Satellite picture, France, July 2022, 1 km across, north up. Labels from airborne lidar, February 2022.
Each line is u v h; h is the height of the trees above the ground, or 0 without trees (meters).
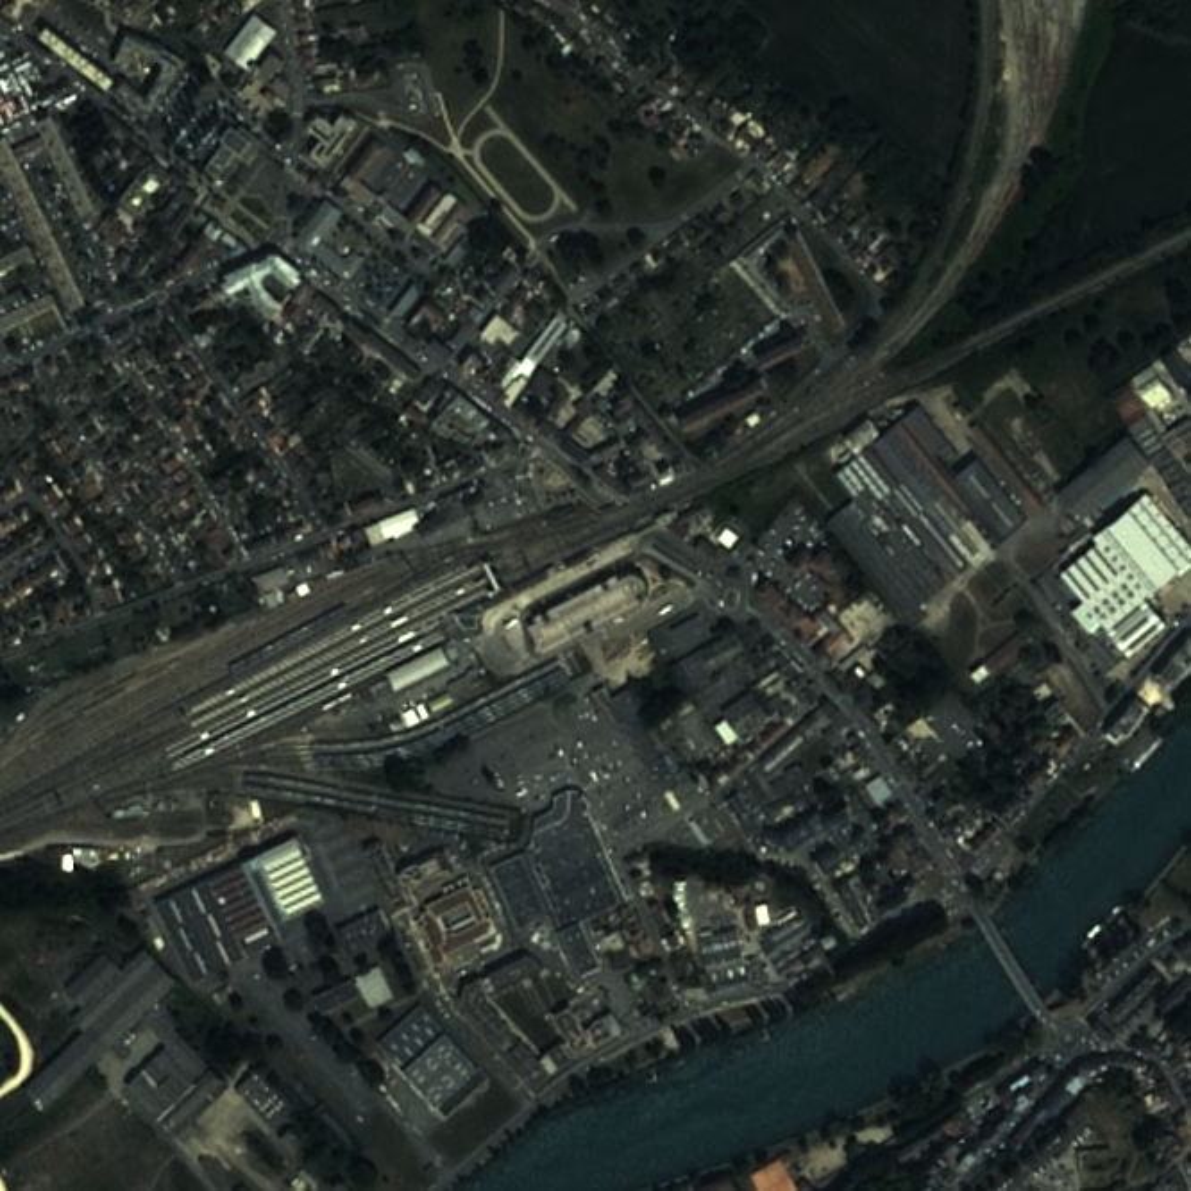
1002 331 0
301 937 0
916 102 0
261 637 0
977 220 0
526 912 0
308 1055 0
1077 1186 0
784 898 0
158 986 0
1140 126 0
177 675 0
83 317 6
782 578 0
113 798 0
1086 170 0
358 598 0
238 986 0
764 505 0
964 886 0
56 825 0
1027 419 0
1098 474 0
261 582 0
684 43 6
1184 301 26
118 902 10
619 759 0
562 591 0
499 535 0
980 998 0
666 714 14
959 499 0
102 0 0
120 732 0
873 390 0
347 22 0
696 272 0
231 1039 13
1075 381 0
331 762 0
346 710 0
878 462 0
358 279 0
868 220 0
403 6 12
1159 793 0
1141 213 0
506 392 0
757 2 0
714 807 0
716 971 0
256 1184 0
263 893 0
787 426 0
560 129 0
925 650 13
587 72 8
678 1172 0
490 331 0
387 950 19
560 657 0
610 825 0
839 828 0
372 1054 0
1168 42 8
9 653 0
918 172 8
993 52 0
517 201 0
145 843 0
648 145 0
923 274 0
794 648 0
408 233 0
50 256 0
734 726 0
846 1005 0
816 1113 0
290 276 0
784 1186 0
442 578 0
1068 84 0
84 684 0
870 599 0
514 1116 0
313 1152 13
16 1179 0
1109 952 27
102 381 8
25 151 0
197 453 0
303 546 0
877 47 0
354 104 0
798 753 0
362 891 0
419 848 0
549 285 5
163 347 11
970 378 0
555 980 0
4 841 0
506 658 0
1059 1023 0
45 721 0
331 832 0
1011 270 9
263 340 7
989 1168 6
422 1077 0
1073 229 0
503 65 0
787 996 0
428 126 0
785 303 0
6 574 0
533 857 0
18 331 0
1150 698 0
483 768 0
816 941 0
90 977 0
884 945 23
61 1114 0
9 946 0
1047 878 0
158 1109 0
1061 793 0
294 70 0
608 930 6
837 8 0
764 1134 0
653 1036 0
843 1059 0
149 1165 0
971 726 0
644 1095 0
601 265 9
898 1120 7
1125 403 0
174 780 0
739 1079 0
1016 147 0
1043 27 0
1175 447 0
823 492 0
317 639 0
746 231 0
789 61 0
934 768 0
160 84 0
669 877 10
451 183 6
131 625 0
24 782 0
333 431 0
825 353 0
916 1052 0
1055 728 6
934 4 0
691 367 0
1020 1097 0
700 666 0
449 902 0
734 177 0
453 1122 0
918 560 0
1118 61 0
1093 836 0
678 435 0
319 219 0
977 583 0
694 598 0
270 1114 0
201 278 0
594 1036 0
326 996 0
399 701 0
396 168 0
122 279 6
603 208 13
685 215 0
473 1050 0
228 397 0
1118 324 0
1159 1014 9
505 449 0
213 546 0
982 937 0
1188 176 0
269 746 0
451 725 0
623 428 0
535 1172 0
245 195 0
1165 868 0
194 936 0
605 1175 0
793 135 0
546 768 0
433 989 0
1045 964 0
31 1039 0
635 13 12
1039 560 0
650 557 0
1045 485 0
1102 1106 0
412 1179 0
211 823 0
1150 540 0
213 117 12
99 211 0
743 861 12
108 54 0
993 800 12
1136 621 0
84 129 10
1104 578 0
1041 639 0
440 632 0
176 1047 0
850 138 8
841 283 18
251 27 0
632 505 0
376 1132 0
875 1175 17
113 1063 0
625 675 0
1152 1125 15
